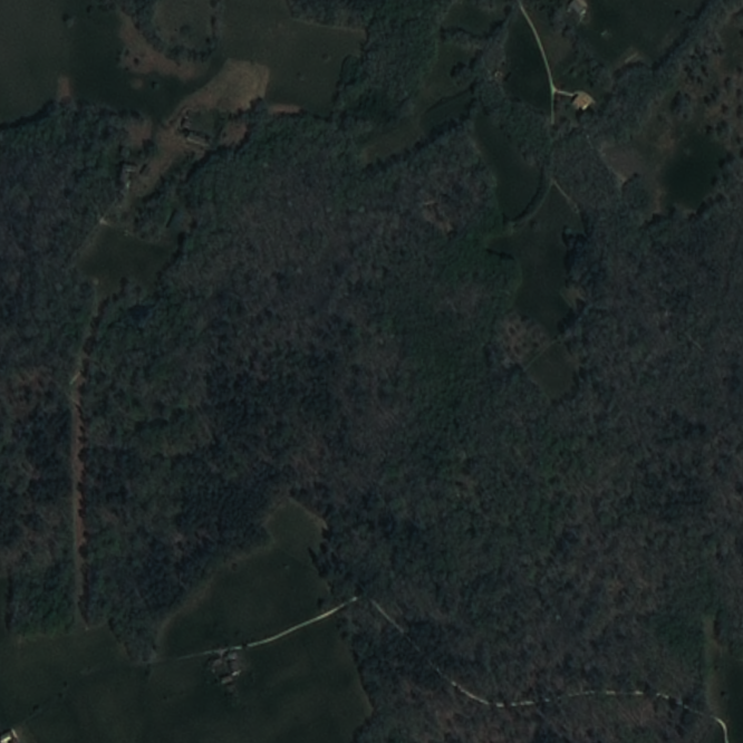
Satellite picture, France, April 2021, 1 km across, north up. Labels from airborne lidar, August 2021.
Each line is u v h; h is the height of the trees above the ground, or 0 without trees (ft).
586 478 67
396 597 71
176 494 42
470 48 40
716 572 69
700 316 63
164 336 47
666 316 57
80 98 0
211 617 0
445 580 57
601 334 71
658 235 43
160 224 66
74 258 44
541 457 76
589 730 50
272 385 54
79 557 0
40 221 76
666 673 80
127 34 0
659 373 50
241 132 0
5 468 43
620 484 52
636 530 40
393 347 56
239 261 53
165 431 78
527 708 21
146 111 0
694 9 0
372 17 64
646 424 49
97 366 60
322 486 43
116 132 21
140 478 85
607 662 58
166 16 0
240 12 0
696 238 53
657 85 55
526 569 61
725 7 54
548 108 0
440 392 66
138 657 61
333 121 31
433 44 83
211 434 44
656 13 0
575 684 52
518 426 69
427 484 56
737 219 48
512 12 36
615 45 0
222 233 46
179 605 68
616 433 41
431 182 72
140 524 60
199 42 0
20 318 65
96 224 56
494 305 65
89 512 71
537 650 32
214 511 84
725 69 0
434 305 51
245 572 0
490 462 64
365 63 36
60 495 79
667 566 53
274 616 0
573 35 41
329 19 36
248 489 59
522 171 0
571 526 58
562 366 0
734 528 58
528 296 0
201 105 0
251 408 66
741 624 54
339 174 71
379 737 89
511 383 75
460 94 0
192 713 0
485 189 62
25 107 0
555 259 0
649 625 63
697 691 46
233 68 0
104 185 63
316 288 51
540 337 34
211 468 77
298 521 0
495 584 55
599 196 66
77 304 69
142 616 73
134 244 0
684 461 64
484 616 68
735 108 0
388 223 41
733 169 56
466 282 65
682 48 52
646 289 60
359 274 42
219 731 0
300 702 0
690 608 51
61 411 46
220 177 76
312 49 0
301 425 54
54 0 0
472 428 51
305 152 72
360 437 64
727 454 39
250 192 85
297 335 32
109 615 60
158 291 34
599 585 21
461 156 60
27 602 72
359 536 71
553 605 21
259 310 52
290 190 65
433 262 58
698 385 56
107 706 0
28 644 0
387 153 0
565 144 43
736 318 56
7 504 81
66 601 87
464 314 70
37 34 0
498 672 69
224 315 62
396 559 74
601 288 86
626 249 66
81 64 0
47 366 59
